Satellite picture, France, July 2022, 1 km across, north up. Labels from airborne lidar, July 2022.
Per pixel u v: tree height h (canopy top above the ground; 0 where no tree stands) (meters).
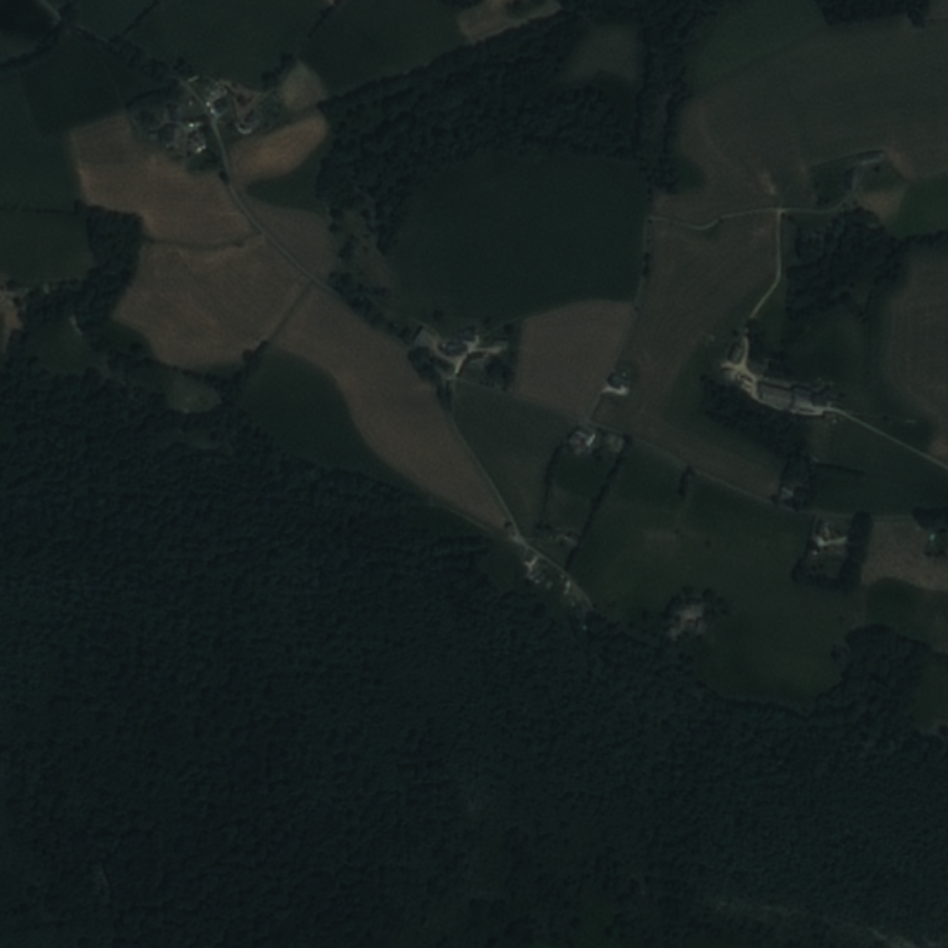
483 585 27
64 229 0
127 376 10
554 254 0
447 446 0
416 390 0
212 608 10
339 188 20
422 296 0
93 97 0
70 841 22
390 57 0
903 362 0
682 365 0
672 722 11
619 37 0
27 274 0
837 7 17
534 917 7
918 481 0
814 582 15
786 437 13
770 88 0
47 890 6
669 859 16
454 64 15
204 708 16
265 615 18
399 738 8
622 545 0
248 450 22
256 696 8
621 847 9
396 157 29
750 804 8
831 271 15
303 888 22
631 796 16
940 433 0
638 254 0
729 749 20
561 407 0
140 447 12
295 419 0
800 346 0
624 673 23
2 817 7
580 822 8
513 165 0
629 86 0
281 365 0
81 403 23
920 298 0
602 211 0
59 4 0
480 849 7
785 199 0
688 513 0
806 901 9
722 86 0
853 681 25
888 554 0
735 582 0
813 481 5
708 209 0
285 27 0
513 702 16
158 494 18
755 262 0
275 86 11
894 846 10
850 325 0
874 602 0
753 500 0
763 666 0
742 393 12
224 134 0
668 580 0
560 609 0
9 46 0
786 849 11
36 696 9
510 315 0
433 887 16
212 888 17
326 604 23
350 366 0
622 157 16
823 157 0
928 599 0
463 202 0
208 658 16
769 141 0
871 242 19
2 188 0
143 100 9
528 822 7
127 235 14
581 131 15
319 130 0
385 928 13
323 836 21
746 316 0
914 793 14
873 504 0
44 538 22
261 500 15
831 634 0
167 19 0
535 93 0
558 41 20
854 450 0
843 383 0
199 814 22
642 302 0
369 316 17
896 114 0
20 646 18
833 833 11
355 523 16
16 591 9
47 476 16
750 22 0
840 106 0
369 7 0
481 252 0
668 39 20
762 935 15
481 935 8
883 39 0
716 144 0
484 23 0
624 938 11
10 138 0
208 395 0
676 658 16
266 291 0
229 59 0
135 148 0
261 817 25
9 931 5
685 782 19
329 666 8
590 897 9
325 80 0
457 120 23
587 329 0
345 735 8
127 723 19
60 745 18
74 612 9
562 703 15
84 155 0
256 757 28
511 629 9
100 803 13
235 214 0
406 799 10
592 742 18
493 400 0
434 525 0
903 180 0
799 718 22
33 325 13
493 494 0
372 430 0
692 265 0
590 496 0
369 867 13
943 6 0
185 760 11
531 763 10
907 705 28
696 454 0
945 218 0
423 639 10
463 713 8
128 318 0
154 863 23
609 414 0
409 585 12
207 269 0
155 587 19
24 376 19
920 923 8
